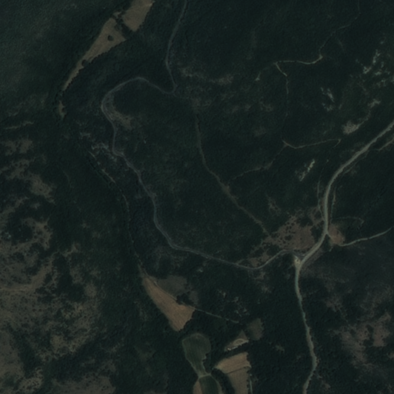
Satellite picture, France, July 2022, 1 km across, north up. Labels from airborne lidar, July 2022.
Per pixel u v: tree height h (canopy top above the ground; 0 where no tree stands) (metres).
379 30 6
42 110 14
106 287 6
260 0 6
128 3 9
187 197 5
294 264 0
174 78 9
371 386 9
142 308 6
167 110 6
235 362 0
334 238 0
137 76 6
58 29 8
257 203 6
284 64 6
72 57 15
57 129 10
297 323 13
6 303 0
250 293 10
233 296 7
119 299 7
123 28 6
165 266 8
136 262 8
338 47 7
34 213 5
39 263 7
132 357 6
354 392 10
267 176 6
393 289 0
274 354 10
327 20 6
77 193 9
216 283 6
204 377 0
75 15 9
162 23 7
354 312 7
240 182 7
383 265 0
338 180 6
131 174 8
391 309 6
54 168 11
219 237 6
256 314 12
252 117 7
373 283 0
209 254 6
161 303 0
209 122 7
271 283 6
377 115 6
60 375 7
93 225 6
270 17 7
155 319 8
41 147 9
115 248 7
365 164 10
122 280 7
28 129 7
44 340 6
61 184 8
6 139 7
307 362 10
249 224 5
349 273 0
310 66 7
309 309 9
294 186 7
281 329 15
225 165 8
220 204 6
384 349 8
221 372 13
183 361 11
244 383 0
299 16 8
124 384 11
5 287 0
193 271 8
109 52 8
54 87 18
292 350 11
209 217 6
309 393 9
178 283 0
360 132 7
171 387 10
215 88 6
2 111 7
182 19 7
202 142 6
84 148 8
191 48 6
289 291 6
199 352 0
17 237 6
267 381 11
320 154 9
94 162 11
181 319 0
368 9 6
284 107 6
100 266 7
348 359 7
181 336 8
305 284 8
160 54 7
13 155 6
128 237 8
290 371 12
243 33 7
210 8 6
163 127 6
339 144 7
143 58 8
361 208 6
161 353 15
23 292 0
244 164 7
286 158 5
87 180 8
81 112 7
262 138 7
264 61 6
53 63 9
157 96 7
